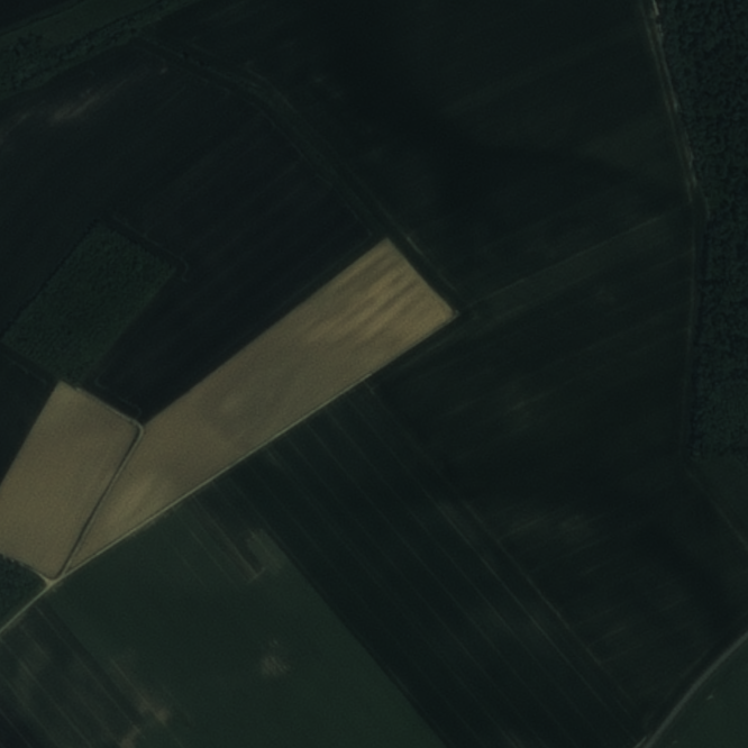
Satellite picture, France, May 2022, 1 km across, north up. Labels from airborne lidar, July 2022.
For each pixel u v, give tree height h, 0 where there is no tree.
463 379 0
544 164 0
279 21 0
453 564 0
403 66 0
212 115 0
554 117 0
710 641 0
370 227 0
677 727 0
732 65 8
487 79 0
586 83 0
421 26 0
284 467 0
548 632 0
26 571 17
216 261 0
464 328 0
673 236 0
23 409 0
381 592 0
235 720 0
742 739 0
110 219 0
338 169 0
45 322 10
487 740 0
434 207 0
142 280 12
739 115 12
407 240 0
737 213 19
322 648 0
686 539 0
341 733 0
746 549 0
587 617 0
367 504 0
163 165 0
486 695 0
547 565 0
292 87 0
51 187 0
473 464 0
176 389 0
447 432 0
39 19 6
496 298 0
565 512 0
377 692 0
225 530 0
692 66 11
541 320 0
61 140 0
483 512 0
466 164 0
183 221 0
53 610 0
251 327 0
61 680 0
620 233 0
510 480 0
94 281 10
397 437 0
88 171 0
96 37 17
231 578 0
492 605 0
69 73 0
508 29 0
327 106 0
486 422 0
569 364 0
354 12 0
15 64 10
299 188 0
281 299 0
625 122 0
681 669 0
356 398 0
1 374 0
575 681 0
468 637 0
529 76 0
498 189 0
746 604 0
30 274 0
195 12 0
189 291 0
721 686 0
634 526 0
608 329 0
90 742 0
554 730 0
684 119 19
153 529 0
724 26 19
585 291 0
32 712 0
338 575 0
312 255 0
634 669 0
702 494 0
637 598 0
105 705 0
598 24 0
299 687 0
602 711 0
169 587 0
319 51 0
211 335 0
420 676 0
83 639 0
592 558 0
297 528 0
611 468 0
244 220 0
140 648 0
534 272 0
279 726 0
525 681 0
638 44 0
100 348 10
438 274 0
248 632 0
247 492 0
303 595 0
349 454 0
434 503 0
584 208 0
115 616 0
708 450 24
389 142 0
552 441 0
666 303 0
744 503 0
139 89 0
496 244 0
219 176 0
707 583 0
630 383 0
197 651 0
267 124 0
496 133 0
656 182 0
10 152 0
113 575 0
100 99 0
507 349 0
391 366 0
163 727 0
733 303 21
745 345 28
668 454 0
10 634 0
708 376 24
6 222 0
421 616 0
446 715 0
